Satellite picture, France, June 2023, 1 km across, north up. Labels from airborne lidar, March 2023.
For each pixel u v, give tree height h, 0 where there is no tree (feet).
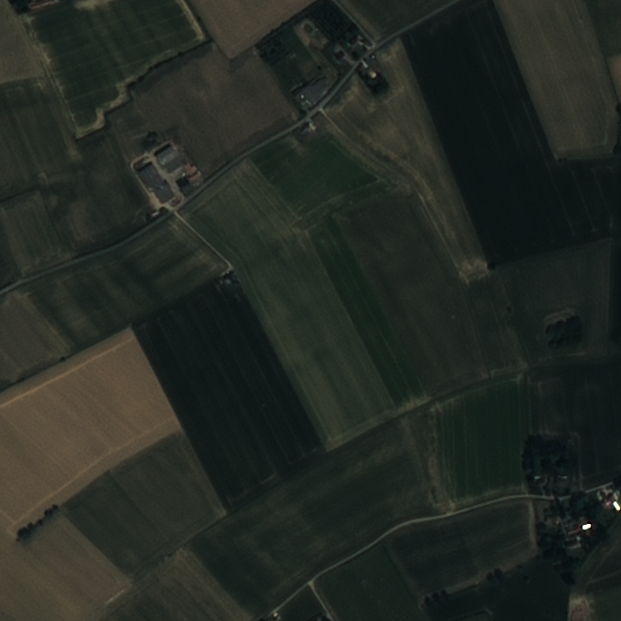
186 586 0
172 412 0
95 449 0
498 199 0
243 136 0
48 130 0
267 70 0
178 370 0
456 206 0
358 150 0
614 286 0
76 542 0
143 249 0
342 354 0
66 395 0
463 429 0
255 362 0
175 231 0
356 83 0
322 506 0
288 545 0
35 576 0
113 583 0
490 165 0
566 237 0
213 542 0
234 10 0
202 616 0
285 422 0
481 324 0
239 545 0
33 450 0
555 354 0
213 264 0
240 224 0
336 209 0
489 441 0
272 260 0
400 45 0
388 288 0
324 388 0
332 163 0
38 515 0
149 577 0
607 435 0
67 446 0
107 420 0
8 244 0
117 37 0
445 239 0
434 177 0
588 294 0
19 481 0
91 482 0
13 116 0
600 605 0
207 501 0
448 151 0
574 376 0
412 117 0
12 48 0
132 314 0
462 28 0
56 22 0
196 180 0
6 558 0
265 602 0
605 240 0
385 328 0
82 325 0
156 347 0
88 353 0
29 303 0
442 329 0
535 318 0
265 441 0
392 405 0
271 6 0
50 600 0
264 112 0
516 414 0
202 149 0
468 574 0
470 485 0
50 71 0
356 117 0
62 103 0
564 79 0
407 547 0
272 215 0
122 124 0
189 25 0
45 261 0
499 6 0
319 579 0
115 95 0
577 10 0
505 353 0
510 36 0
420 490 0
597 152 0
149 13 0
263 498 0
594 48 0
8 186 0
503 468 0
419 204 0
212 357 0
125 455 0
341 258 0
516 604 0
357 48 0
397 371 0
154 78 0
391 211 0
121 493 0
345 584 0
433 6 0
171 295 0
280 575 0
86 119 0
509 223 0
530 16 0
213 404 0
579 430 0
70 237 0
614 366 0
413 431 0
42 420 0
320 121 0
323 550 0
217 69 0
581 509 55
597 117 0
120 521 0
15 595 0
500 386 0
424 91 0
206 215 0
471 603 0
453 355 0
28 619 0
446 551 0
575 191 0
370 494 0
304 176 0
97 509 0
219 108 0
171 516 0
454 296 0
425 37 0
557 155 0
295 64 0
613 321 0
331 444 0
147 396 0
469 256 0
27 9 21
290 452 0
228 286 0
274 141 0
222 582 0
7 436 0
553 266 0
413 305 0
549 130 0
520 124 0
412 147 0
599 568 0
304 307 0
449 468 0
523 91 0
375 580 0
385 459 0
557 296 0
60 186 0
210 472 0
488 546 0
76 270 0
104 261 0
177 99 0
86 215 0
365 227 0
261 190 0
